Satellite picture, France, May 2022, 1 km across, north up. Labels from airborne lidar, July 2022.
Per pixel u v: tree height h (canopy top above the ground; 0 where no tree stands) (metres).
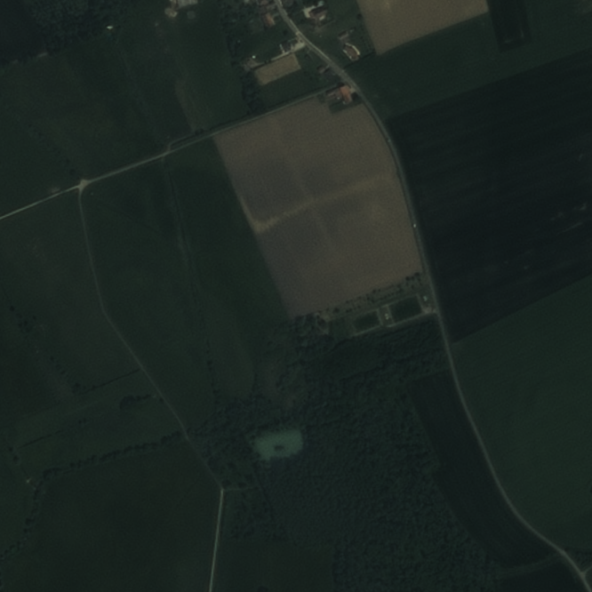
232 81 0
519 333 0
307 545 16
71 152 0
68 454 0
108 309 0
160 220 0
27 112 0
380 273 0
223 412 7
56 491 0
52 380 0
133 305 0
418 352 8
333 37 0
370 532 32
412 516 24
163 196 0
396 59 0
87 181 0
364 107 0
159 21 0
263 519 22
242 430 19
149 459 0
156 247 0
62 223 0
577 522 0
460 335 0
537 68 0
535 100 0
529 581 0
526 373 0
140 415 0
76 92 0
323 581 0
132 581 0
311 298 0
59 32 29
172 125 0
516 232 0
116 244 0
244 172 0
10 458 0
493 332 0
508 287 0
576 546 0
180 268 0
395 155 0
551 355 0
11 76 0
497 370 0
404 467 26
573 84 0
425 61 0
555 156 0
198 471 0
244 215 0
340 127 0
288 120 0
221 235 0
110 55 0
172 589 0
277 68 0
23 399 0
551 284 0
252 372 0
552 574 0
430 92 0
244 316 0
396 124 0
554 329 0
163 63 0
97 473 0
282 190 0
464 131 0
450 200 0
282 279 0
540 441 0
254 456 13
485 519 0
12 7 0
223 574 0
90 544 0
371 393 27
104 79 0
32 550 0
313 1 7
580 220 0
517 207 0
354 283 0
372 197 0
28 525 12
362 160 0
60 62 0
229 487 14
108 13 14
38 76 0
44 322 0
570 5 0
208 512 0
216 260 0
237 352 0
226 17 6
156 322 0
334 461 21
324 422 16
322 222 0
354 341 9
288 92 0
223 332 0
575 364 0
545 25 0
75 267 0
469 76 0
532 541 0
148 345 0
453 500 0
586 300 0
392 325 0
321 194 0
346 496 26
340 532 31
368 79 0
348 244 0
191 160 0
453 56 0
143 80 0
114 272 0
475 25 0
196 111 0
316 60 0
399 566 7
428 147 0
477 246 0
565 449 0
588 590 0
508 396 0
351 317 0
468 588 10
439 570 6
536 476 0
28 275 0
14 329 0
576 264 0
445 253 0
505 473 0
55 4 25
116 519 0
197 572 0
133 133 0
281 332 6
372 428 24
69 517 0
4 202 0
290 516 31
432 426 0
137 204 0
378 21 0
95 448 0
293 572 0
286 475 29
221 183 0
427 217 0
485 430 0
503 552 0
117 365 0
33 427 0
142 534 0
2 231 0
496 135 0
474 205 0
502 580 0
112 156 0
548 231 0
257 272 0
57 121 0
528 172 0
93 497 0
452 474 0
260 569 0
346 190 0
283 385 12
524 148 0
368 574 7
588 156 0
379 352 14
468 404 0
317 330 11
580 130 0
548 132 0
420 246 0
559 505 0
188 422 0
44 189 0
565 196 0
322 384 21
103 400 0
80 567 0
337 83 0
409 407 20
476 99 0
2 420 0
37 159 0
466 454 0
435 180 0
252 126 0
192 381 0
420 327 8
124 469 0
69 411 0
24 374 0
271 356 6
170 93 0
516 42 0
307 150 0
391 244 0
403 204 0
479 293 0
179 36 0
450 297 0
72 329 0
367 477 21
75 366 0
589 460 0
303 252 0
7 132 0
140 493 0
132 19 10
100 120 0
